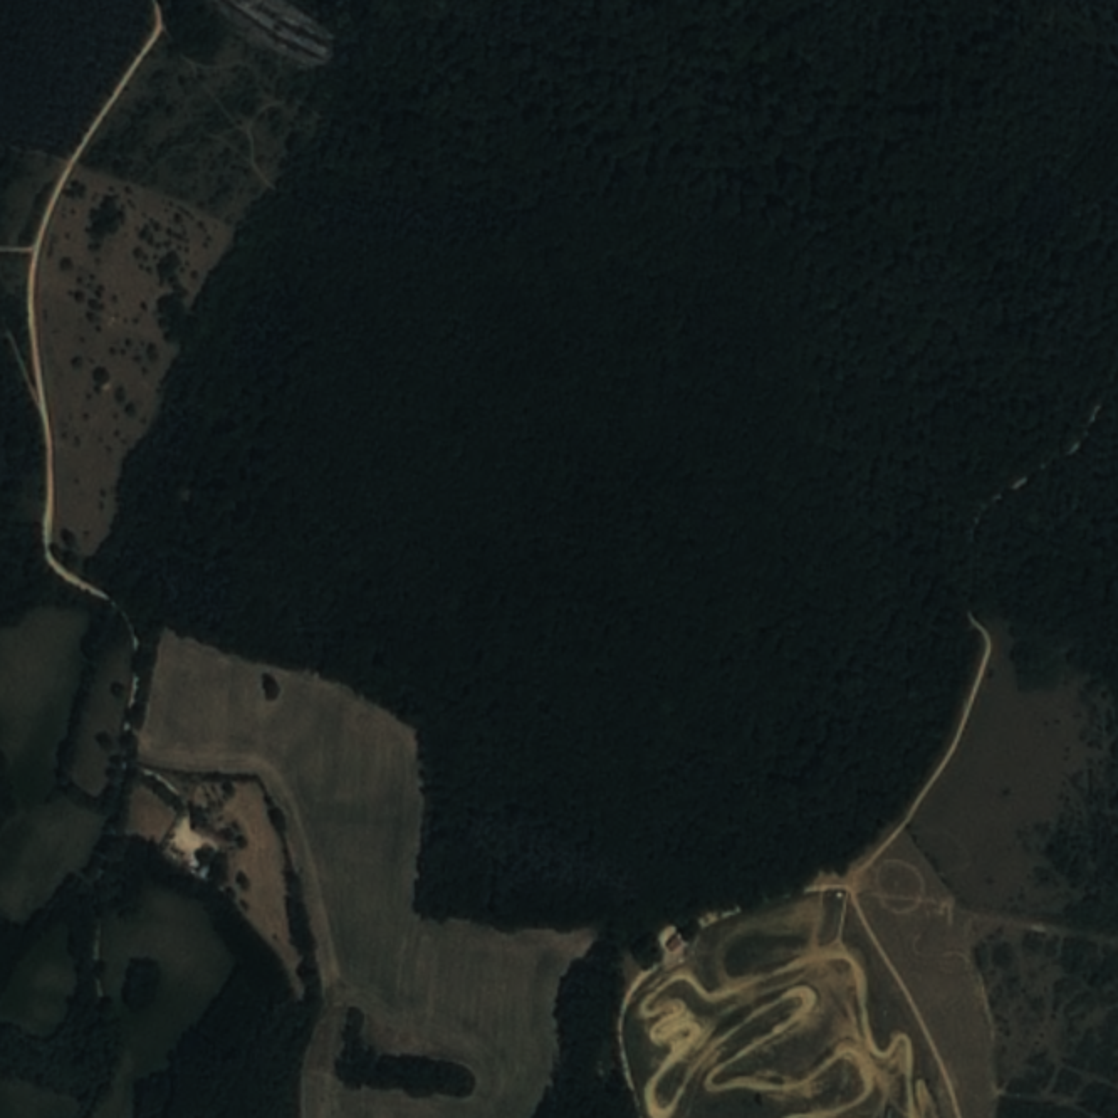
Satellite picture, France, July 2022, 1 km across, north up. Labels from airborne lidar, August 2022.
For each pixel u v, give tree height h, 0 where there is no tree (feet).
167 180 0
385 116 45
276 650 45
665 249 72
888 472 57
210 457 66
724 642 71
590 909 68
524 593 77
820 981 0
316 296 61
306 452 51
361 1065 38
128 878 65
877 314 68
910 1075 0
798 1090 0
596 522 71
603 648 86
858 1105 0
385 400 73
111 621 66
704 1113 0
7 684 0
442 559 66
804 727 75
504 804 40
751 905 56
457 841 66
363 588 60
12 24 41
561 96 59
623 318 82
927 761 34
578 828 59
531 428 75
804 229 74
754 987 0
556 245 75
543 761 62
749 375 73
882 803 52
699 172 32
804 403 65
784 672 63
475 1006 0
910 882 0
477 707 66
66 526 0
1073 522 60
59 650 0
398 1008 0
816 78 58
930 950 0
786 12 33
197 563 56
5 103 41
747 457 81
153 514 50
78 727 41
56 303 0
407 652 80
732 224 70
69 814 0
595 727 72
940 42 75
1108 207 48
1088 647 23
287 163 21
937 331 52
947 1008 0
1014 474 26
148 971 47
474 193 62
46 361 0
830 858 47
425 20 56
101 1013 42
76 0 45
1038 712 0
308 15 23
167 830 0
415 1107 0
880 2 48
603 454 79
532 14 46
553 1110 52
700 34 54
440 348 71
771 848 44
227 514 65
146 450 42
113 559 38
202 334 31
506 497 77
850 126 63
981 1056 0
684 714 77
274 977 28
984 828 0
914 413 54
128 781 35
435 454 73
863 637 34
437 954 0
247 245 35
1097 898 22
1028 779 0
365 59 47
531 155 62
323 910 0
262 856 0
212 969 0
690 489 90
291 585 46
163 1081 49
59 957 0
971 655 22
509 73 66
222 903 41
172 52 23
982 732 0
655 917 42
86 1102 41
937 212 54
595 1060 75
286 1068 18
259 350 61
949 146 46
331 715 0
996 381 37
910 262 70
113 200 26
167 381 20
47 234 0
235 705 0
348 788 0
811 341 60
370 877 0
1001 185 53
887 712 58
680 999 0
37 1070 24
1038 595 49
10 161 26
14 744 0
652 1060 0
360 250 63
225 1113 46
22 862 0
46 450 19
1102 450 44
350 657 68
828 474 59
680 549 80
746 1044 0
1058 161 38
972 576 28
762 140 69
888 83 41
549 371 81
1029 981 0
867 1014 0
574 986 34
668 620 79
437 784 36
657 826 51
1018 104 38
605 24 52
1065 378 59
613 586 68
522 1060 0
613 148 68
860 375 64
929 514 57
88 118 32
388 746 0
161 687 0
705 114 29
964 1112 0
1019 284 74
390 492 57
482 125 31
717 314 77
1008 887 0
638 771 86
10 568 43
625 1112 45
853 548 67
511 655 77
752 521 78
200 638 39
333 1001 0
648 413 78
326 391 68
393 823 0
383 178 48
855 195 74
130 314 0
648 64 50
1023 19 57
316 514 56
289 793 0
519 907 69
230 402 59
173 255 26
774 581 76
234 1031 24
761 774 70
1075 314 47
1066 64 40
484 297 75
